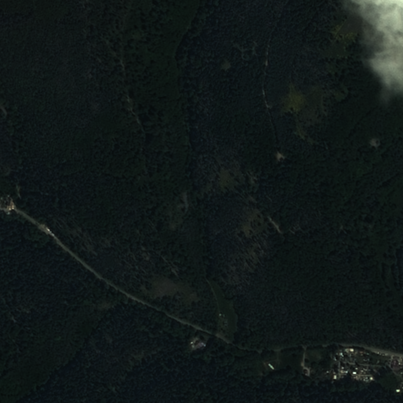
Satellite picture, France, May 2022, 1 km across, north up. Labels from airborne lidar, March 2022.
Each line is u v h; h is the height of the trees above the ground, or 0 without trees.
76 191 25
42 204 34
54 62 18
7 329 25
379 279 18
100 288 38
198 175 25
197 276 15
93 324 13
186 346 18
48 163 23
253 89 9
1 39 15
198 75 25
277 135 20
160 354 32
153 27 12
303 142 21
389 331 23
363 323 17
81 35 14
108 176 26
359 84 21
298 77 14
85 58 19
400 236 22
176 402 32
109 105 23
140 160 29
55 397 32
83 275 38
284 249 19
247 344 24
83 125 18
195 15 25
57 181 27
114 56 30
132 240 21
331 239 25
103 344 22
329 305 23
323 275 21
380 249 0
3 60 19
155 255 23
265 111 16
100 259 24
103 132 20
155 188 17
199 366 27
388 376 0
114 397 33
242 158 23
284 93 17
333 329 12
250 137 24
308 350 7
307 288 23
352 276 28
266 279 24
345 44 0
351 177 20
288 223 24
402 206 0
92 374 26
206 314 13
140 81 22
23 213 0
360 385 30
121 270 22
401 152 26
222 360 23
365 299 27
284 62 15
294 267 23
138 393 29
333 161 19
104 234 20
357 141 21
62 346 18
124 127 14
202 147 29
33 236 27
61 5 20
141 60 26
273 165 23
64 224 22
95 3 18
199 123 31
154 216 19
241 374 27
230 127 25
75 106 16
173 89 18
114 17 21
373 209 32
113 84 23
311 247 20
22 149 23
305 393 31
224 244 20
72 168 21
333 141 20
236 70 21
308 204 22
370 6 0
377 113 21
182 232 8
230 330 0
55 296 32
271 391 27
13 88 14
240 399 38
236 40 13
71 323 21
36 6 25
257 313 19
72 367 34
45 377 19
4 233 40
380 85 18
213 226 23
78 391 30
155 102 19
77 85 15
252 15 18
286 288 20
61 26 19
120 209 25
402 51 21
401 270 20
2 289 29
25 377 19
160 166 30
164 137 11
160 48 18
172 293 0
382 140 14
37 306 33
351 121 20
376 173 21
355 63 10
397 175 25
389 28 0
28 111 17
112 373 27
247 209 19
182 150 10
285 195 29
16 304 29
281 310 28
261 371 0
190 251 14
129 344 30
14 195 12
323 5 21
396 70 19
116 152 28
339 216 25
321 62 18
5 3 22
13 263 34
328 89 17
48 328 26
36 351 16
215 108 19
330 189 22
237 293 21
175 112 13
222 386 34
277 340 22
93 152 22
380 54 23
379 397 29
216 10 37
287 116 21
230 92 23
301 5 26
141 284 14
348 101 18
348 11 12
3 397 18
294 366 0
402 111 20
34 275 33
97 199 21
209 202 21
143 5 6
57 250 33
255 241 23
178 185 11
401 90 19
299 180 24
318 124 11
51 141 15
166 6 17
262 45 11
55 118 15
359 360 0
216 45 21
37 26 19
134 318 33
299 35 28
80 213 22
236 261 13
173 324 34
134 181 22
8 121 21
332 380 7
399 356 0
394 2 0
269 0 22
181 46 18
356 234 30
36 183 32
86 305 12
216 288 0
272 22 18
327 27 16
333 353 21
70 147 17
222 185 0
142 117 6
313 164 22
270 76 9
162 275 9
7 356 19
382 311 26
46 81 12
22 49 12
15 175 27
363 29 0
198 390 30
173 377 28
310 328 24
